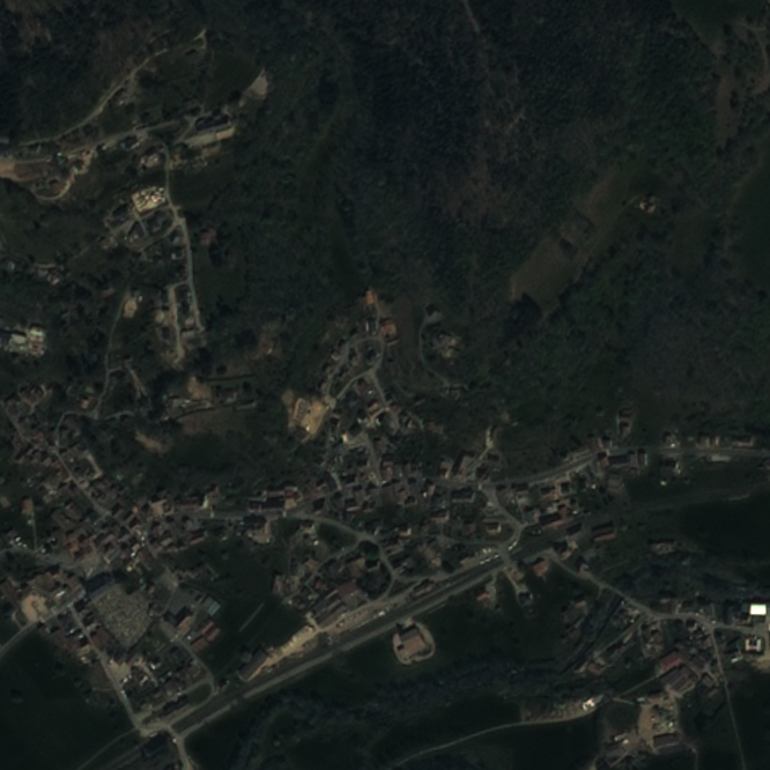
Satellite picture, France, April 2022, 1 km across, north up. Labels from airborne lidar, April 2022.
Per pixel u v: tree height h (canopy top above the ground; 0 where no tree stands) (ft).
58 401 78
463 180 62
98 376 26
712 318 52
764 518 0
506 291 60
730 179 46
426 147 71
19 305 81
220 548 0
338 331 0
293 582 0
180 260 0
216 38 66
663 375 89
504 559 0
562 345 72
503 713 0
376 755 0
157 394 49
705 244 0
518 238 56
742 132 47
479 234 45
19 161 0
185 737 0
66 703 0
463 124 55
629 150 90
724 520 0
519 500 0
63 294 41
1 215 0
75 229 0
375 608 0
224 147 27
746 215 0
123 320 0
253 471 65
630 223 0
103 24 46
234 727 0
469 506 0
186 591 44
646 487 0
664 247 62
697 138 50
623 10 79
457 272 55
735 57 32
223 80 0
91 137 61
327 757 0
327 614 0
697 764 0
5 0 42
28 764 0
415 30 85
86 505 0
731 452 0
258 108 0
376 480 0
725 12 0
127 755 0
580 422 22
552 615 0
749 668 0
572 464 0
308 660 0
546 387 59
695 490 0
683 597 0
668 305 64
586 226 86
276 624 0
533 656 0
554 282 0
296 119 102
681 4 0
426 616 0
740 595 0
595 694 24
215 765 0
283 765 29
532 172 51
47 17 66
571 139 62
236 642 0
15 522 0
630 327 32
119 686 0
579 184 53
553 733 0
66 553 0
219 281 0
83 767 0
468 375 59
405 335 0
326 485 0
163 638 0
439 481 0
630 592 47
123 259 84
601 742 62
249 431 0
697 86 44
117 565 0
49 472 0
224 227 56
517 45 65
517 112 41
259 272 40
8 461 44
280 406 45
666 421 0
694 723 0
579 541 0
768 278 0
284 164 105
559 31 72
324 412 0
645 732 0
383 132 51
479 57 75
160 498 0
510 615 0
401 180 56
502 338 77
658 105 62
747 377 95
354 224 93
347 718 84
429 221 44
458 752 0
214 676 0
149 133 0
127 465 27
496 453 0
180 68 0
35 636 0
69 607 0
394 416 0
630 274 50
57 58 47
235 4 91
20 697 46
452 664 0
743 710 0
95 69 43
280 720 0
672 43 48
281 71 76
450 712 0
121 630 0
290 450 44
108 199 0
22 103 70
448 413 0
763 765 0
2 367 72
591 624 73
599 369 0
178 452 0
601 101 82
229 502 35
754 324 64
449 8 88
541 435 0
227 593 20
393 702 81
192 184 0
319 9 107
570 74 86
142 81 0
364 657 0
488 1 45
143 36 64
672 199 0
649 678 0
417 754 60
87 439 29
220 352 93
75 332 69
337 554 0
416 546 28
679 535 0
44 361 34
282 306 76
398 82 55
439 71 79
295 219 84
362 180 66
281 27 88
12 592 0
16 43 47
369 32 81
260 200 70
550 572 0
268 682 0
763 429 92
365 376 0
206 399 0
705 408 30
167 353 0
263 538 0
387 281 60
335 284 88
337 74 91
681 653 0
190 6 70
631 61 74
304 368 37
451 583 0
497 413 62
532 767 0
